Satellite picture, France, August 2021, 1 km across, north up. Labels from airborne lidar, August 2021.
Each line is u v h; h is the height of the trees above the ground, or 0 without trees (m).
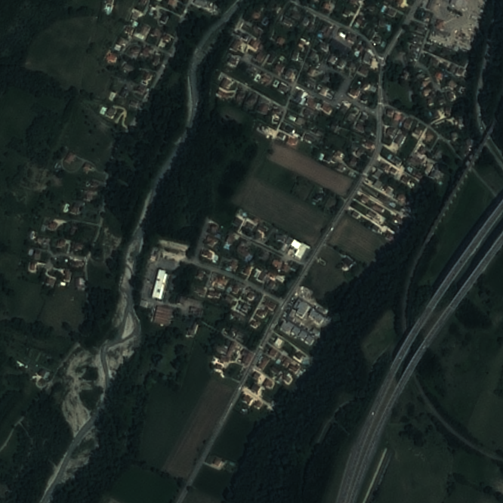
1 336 11
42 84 18
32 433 14
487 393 0
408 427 10
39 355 0
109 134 0
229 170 9
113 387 11
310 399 16
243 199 0
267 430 20
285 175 0
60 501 22
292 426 12
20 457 11
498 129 18
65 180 0
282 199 0
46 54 0
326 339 25
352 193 0
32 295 0
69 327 20
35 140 23
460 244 0
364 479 0
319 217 0
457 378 0
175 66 12
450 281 0
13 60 12
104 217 14
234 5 0
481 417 0
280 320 0
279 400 18
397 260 25
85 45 0
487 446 0
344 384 15
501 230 0
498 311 0
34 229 6
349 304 28
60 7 8
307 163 0
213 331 9
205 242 7
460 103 13
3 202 6
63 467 0
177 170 18
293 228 0
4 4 11
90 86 0
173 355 0
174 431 0
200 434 0
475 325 11
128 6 0
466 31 0
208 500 0
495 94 12
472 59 20
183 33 21
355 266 9
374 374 10
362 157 9
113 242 0
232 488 13
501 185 0
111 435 13
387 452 0
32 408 11
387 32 8
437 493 0
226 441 0
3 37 8
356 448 0
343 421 7
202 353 0
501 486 0
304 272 0
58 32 0
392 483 0
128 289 0
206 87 12
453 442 12
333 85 10
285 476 16
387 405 0
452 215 0
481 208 0
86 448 0
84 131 0
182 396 0
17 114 0
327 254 0
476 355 0
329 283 0
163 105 16
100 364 0
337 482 0
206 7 0
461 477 12
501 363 0
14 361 11
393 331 0
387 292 21
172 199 20
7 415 11
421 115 13
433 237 11
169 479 15
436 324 0
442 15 0
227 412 0
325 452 13
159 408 0
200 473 0
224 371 8
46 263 0
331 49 9
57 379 0
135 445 13
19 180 12
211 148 11
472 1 0
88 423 0
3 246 15
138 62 8
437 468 0
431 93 6
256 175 0
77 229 7
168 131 12
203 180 12
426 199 20
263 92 6
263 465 20
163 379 22
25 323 24
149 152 14
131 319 0
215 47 18
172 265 0
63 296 0
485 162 12
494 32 19
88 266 0
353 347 23
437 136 0
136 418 16
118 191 25
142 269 7
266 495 14
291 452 23
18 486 14
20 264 7
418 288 13
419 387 0
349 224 0
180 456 0
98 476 15
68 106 12
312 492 16
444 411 13
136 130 22
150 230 16
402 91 0
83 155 0
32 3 7
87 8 15
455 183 10
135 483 0
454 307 0
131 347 0
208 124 16
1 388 12
